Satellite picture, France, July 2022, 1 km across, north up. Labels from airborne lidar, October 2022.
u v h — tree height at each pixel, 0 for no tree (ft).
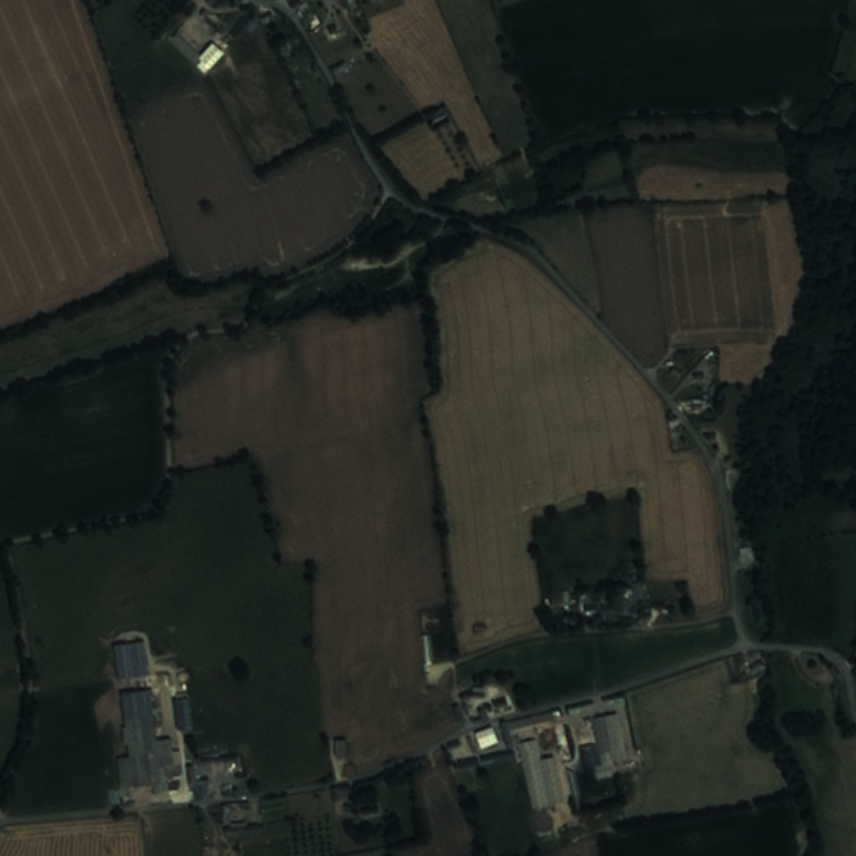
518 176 0
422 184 0
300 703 0
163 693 0
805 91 0
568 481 0
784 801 48
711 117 43
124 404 0
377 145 37
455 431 0
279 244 0
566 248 0
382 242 64
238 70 0
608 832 0
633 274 0
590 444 0
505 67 37
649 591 0
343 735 0
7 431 0
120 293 63
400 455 0
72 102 0
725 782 0
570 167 30
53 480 0
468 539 0
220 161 0
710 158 0
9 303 0
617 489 0
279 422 0
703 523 0
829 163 0
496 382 0
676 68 0
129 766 0
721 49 0
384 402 0
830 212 23
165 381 58
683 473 0
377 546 0
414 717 0
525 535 0
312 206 0
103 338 0
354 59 0
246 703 0
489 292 0
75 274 0
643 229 0
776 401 32
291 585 0
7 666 0
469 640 0
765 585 61
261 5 0
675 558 0
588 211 52
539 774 0
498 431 0
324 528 0
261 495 21
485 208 0
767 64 0
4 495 0
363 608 0
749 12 0
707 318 0
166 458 0
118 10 0
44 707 0
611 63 0
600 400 0
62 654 0
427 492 0
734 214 0
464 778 0
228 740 0
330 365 0
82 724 0
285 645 0
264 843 0
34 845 0
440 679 0
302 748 0
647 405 0
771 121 37
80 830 0
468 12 0
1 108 0
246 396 0
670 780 0
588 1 0
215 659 0
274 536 60
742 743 0
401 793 0
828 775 0
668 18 0
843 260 24
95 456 0
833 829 0
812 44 0
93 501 0
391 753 0
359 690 0
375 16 0
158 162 0
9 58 0
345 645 0
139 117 0
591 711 0
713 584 0
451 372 0
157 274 27
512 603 0
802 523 0
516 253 0
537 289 0
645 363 0
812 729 83
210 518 0
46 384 23
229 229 0
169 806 0
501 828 0
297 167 0
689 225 0
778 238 0
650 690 0
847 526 0
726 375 0
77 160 0
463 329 0
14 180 0
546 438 0
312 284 0
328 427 0
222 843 0
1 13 0
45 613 0
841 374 92
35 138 0
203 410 0
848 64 0
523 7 0
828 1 0
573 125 0
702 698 0
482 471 0
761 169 0
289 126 0
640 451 0
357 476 0
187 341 49
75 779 0
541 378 0
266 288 37
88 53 0
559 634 73
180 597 0
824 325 0
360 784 24
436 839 0
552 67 0
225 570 0
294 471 0
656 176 0
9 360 0
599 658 0
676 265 0
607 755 0
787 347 62
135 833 0
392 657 0
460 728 0
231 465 49
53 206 0
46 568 0
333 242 0
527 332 0
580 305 0
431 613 0
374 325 0
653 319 0
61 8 0
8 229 0
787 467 38
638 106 0
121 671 0
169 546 0
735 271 0
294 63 0
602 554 0
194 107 0
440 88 0
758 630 0
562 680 0
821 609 0
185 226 0
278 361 0
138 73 0
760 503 56
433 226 21
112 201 0
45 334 0
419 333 0
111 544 0
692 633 0
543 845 0
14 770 23
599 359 0
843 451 57
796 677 0
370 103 0
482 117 0
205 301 0
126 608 0
